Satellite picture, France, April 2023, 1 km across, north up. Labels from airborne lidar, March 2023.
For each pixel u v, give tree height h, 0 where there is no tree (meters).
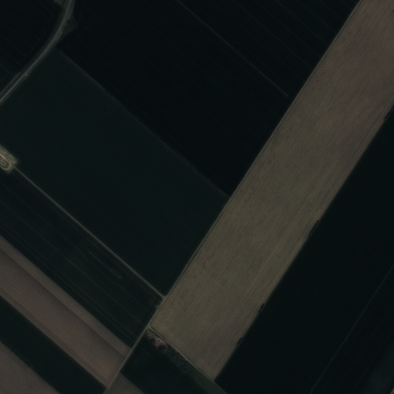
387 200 0
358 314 0
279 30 0
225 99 0
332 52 0
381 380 0
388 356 0
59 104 0
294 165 0
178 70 0
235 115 0
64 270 0
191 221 0
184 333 0
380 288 0
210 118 0
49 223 0
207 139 0
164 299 0
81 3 0
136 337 0
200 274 0
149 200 0
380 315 0
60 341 0
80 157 0
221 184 0
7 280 0
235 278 0
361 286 0
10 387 0
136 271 0
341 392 0
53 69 0
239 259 0
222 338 0
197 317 0
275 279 0
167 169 0
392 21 0
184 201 0
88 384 0
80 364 0
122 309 0
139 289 0
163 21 0
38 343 0
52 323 0
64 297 0
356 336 0
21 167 0
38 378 0
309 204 0
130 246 0
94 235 0
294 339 0
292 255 0
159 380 0
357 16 0
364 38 0
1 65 0
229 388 0
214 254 0
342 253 0
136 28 0
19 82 0
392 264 0
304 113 0
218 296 0
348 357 0
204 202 0
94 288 0
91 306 0
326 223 0
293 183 0
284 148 0
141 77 0
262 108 0
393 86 0
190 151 0
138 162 0
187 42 0
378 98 0
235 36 0
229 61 0
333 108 0
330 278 0
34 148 0
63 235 0
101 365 0
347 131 0
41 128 0
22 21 0
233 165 0
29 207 0
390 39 0
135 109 0
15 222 0
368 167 0
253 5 0
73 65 0
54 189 0
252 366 0
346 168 0
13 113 0
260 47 0
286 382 0
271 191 0
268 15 0
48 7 0
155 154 0
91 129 0
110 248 0
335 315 0
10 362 0
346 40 0
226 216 0
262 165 0
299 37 0
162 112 0
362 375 0
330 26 0
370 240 0
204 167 0
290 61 0
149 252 0
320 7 0
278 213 0
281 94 0
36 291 0
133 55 0
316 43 0
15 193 0
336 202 0
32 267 0
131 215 0
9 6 0
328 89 0
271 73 0
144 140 0
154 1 0
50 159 0
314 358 0
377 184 0
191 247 0
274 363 0
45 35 0
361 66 0
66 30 12
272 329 0
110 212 0
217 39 0
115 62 0
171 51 0
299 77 0
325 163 0
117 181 0
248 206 0
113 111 0
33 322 0
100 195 0
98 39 0
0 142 0
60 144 0
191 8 0
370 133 0
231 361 0
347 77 0
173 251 0
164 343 0
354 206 0
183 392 0
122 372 0
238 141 0
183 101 0
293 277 0
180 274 0
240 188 0
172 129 0
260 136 0
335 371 0
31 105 0
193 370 0
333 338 0
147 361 0
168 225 0
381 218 0
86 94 0
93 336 0
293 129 0
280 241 0
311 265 0
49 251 0
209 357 0
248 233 0
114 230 0
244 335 0
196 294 0
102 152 0
